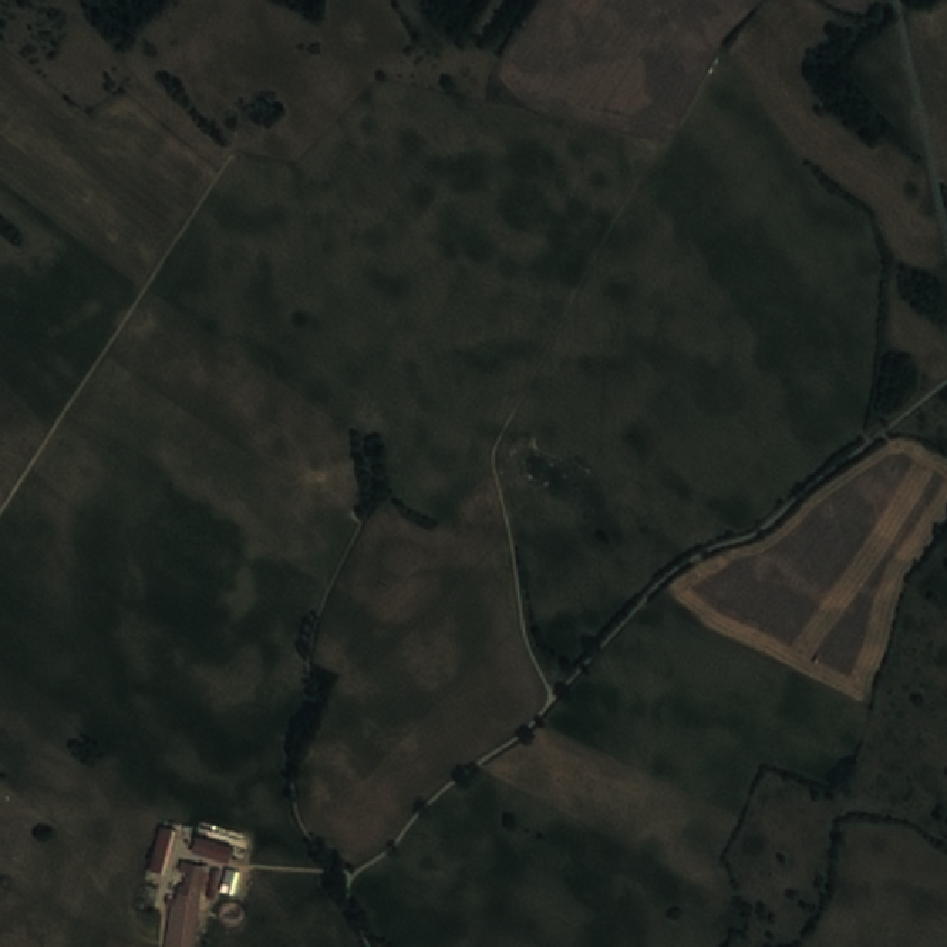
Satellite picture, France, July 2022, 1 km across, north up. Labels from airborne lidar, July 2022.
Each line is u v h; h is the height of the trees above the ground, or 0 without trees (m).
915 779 0
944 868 0
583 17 0
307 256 0
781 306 0
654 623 0
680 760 0
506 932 0
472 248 0
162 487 0
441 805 0
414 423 0
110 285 0
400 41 0
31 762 0
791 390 0
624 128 0
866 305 0
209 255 0
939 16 0
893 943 0
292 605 0
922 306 10
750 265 0
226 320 0
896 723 0
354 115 0
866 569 0
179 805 0
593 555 0
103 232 0
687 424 0
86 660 0
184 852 0
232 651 0
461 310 0
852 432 0
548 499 0
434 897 0
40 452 0
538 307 0
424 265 0
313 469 0
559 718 0
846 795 13
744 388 0
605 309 0
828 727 0
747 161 0
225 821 0
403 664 0
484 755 0
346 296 0
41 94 0
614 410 0
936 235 0
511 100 0
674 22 0
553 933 0
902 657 0
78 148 0
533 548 0
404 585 0
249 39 0
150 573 0
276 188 0
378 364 0
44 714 0
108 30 15
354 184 0
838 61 16
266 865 0
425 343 0
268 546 0
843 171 0
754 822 0
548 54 0
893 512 0
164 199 0
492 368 0
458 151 0
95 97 0
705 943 0
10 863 0
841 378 0
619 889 0
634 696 0
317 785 0
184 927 0
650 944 0
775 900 0
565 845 0
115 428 0
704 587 0
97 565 0
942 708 0
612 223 0
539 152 0
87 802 0
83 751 8
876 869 0
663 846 0
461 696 0
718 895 0
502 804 0
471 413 0
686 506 0
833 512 0
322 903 0
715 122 0
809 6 0
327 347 0
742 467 0
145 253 0
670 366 0
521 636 0
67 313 0
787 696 0
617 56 0
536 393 0
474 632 0
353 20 0
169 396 0
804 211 0
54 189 0
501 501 0
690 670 0
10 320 0
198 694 0
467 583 0
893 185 0
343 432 0
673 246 0
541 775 0
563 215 0
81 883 0
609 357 0
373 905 0
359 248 0
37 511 0
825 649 0
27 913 0
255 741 0
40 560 0
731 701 0
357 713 0
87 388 0
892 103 0
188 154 0
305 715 20
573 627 0
